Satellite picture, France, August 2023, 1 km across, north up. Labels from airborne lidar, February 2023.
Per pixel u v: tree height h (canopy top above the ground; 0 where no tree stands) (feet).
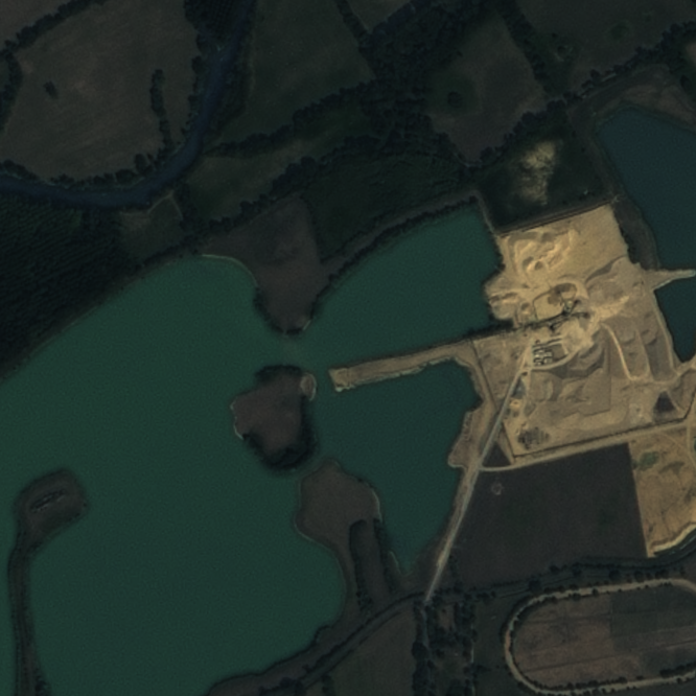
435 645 50
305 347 0
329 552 0
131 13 0
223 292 0
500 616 0
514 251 0
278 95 0
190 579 0
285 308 0
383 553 21
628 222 0
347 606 0
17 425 0
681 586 0
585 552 0
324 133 0
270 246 0
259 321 0
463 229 0
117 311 0
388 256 0
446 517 0
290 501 0
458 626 41
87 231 53
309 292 0
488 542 0
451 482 0
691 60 0
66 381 0
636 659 0
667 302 0
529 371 0
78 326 0
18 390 0
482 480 0
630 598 0
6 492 0
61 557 0
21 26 0
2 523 0
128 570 0
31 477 0
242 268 0
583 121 0
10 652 0
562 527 0
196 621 0
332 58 0
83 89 0
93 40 0
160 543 0
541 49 0
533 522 0
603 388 0
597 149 0
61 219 90
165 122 34
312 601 0
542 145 0
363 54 51
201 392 0
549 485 0
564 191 0
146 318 0
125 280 29
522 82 0
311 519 0
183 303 0
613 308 0
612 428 0
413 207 27
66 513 0
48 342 0
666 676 34
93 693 0
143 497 0
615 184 0
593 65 0
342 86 0
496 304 0
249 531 0
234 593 0
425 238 0
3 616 0
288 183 61
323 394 0
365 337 0
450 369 0
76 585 0
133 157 0
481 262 0
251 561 0
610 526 0
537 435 0
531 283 0
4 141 0
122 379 0
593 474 0
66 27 0
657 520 0
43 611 0
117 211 26
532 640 0
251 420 0
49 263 79
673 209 0
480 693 0
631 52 0
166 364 0
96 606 0
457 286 0
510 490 0
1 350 101
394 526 0
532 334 0
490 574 0
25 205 71
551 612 0
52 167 0
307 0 0
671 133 0
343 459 0
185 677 0
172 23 0
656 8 0
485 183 0
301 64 0
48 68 0
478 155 0
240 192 0
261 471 0
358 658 0
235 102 94
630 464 0
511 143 48
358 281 0
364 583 24
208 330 0
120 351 0
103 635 0
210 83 0
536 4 0
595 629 0
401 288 0
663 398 0
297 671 0
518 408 0
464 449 0
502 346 0
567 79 0
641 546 0
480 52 0
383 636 0
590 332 0
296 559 0
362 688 0
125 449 0
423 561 0
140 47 0
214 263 0
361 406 0
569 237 0
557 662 0
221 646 0
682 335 0
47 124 0
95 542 0
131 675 0
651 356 0
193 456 0
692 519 0
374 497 0
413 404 0
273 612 0
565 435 0
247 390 0
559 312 0
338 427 0
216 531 0
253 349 0
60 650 0
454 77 0
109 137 0
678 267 0
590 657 0
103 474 0
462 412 0
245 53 82
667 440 0
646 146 0
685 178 0
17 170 42
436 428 0
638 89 0
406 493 0
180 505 0
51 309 36
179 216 0
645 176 0
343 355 0
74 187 26
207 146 95
